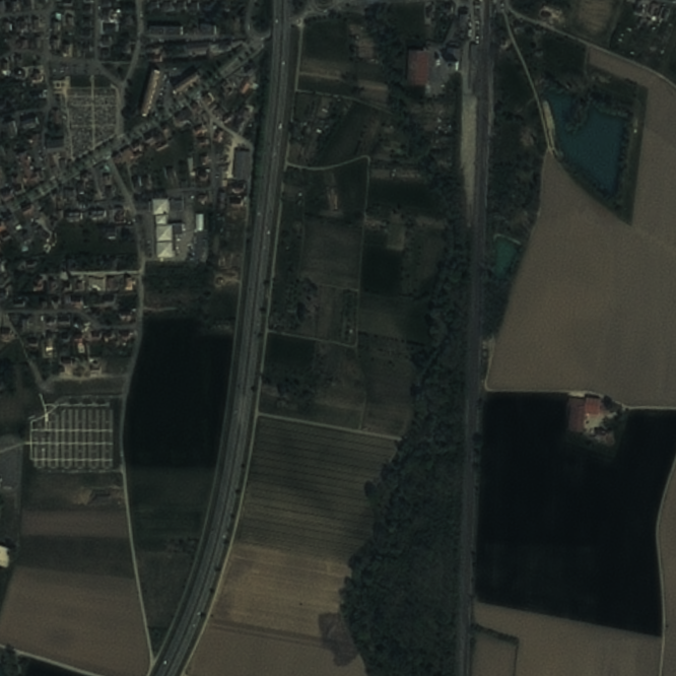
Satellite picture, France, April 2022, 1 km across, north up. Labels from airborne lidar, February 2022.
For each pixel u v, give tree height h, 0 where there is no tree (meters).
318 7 0
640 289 0
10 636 0
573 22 0
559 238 0
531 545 0
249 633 0
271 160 0
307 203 0
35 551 0
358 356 0
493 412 0
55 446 0
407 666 35
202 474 0
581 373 0
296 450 0
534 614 0
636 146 0
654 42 0
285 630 0
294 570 0
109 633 0
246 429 0
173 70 0
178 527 0
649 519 0
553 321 0
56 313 0
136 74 0
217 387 0
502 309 12
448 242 14
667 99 0
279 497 0
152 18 0
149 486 0
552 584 0
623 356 0
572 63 0
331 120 9
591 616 0
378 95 0
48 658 0
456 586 12
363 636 17
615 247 0
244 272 0
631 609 0
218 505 0
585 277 0
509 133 0
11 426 0
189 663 0
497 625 0
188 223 0
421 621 22
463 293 20
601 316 0
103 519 0
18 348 0
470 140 0
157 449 0
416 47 0
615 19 0
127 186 0
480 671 0
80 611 0
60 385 0
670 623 0
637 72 0
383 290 0
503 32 14
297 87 0
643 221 0
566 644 0
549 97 0
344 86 0
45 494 0
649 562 0
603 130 0
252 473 0
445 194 13
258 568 0
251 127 0
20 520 0
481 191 0
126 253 0
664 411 0
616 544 0
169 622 0
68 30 0
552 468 0
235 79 0
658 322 0
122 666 0
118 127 0
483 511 0
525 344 0
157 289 0
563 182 0
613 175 0
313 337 0
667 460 0
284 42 0
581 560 0
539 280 0
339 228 0
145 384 0
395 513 12
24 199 11
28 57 0
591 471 0
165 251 0
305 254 0
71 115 0
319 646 0
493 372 0
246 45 0
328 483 0
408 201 0
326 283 0
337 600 0
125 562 0
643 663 0
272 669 0
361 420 0
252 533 0
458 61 0
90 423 0
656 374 0
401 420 0
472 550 0
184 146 0
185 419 0
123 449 0
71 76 0
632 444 0
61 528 0
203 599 0
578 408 0
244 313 0
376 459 0
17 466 0
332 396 0
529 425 0
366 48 0
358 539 0
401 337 0
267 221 0
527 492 0
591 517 0
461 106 0
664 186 0
